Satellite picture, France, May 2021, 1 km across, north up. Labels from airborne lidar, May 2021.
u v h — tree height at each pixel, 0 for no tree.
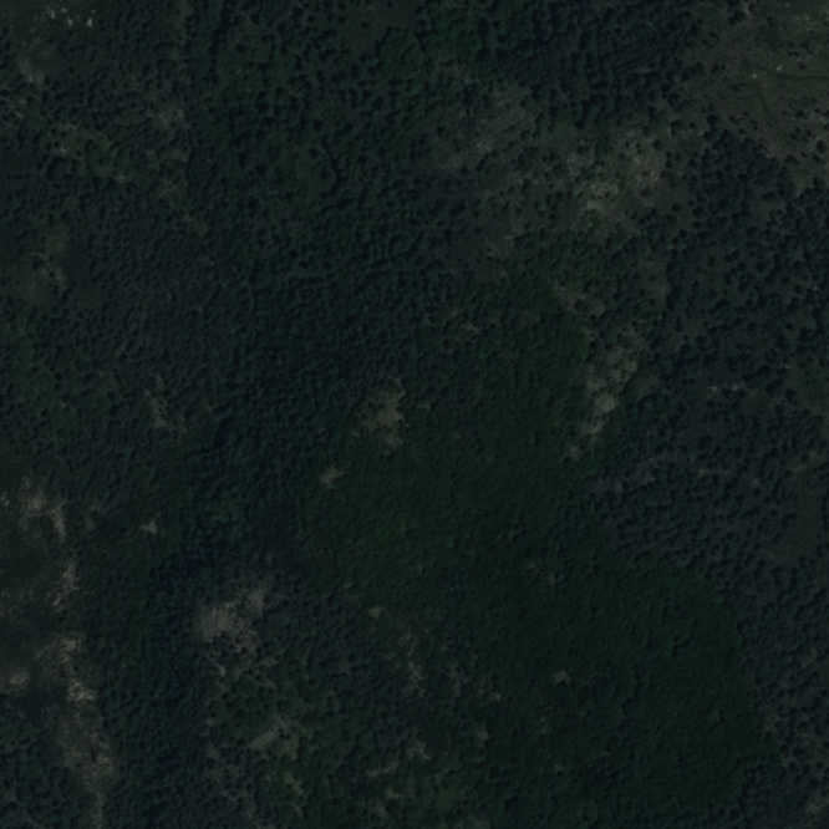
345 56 14
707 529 14
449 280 15
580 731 17
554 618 14
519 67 28
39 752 9
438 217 23
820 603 23
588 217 7
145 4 20
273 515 9
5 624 5
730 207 24
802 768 19
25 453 18
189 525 26
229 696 17
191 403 21
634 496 18
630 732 15
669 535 18
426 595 21
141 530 17
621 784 12
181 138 14
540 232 8
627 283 21
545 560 14
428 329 10
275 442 8
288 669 15
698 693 19
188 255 28
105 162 22
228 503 24
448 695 11
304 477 12
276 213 9
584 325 11
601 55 14
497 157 12
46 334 23
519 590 13
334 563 8
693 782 17
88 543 14
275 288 7
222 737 16
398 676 12
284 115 32
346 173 25
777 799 23
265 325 8
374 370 13
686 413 17
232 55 6
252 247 11
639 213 11
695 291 21
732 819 21
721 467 13
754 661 21
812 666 7
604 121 7
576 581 13
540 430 17
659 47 16
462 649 17
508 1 6
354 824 12
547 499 24
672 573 20
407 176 15
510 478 16
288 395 21
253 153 29
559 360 14
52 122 17
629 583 20
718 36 24
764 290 26
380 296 13
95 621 14
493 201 8
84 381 19
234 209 19
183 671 16
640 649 19
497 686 14
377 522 15
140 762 14
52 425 22
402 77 14
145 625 25
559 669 18
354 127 20
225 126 9
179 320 20
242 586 12
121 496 17
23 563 8
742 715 18
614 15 20
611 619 18
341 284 12
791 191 23
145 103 15
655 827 21
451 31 16
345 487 14
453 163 0
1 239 6
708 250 20
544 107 10
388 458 11
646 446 10
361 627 6
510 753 17
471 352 23
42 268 16
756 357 18
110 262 20
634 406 15
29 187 17
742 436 15
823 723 17
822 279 16
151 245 16
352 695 16
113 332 17
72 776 20
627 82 15
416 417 14
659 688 17
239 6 24
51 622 9
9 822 25
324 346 18
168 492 14
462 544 22
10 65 24
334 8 23
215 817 21
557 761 7
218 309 26
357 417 8
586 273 12
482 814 18
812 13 0
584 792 9
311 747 17
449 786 21
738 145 29
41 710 7
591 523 15
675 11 21
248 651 20
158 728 18
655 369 8
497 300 10
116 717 29
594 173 6
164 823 20
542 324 14
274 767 17
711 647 23
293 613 20
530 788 25
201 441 22
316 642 19
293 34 16
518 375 16
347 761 8
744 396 19
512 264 9
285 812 17
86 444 18
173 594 25
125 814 20
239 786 13
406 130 8
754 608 25
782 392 23
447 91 12
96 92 23
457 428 20
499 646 15
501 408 17
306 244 6
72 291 19
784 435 18
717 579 21
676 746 15
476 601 13
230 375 26
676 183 25
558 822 24
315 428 9
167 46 25
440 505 18
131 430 16
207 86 7
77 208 6
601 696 21
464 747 12
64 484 7
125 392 13
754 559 20
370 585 9
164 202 16
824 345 26
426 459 19
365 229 15
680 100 28
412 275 18
